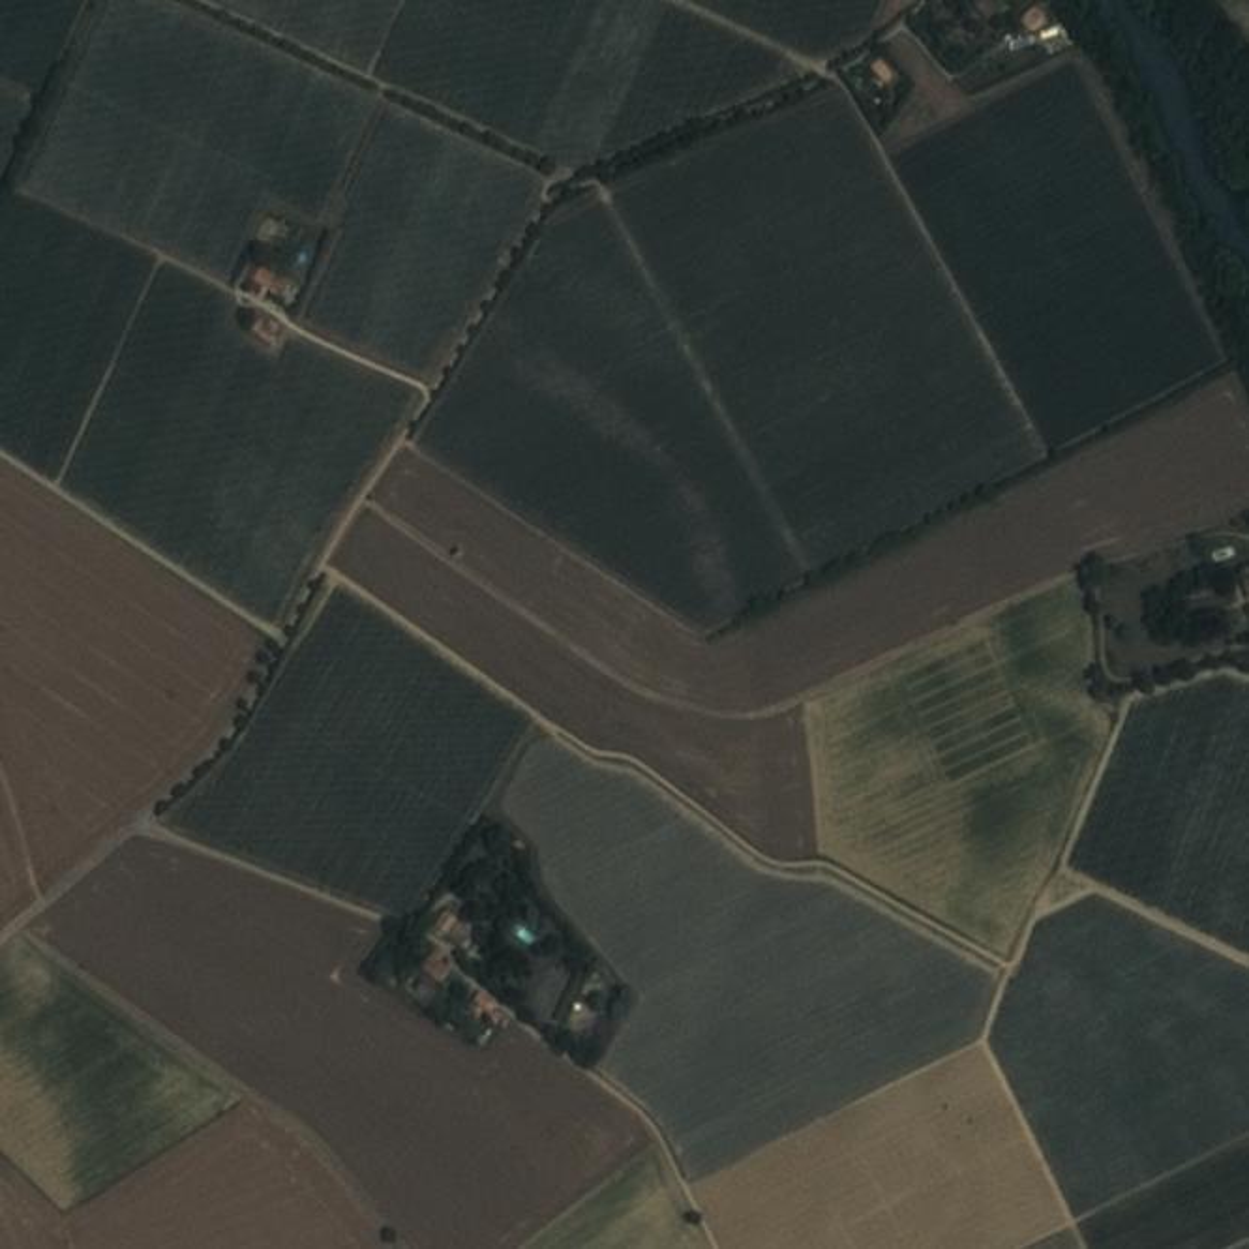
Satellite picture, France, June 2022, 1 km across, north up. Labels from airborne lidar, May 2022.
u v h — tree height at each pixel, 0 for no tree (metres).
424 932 21
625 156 13
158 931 0
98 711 0
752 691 0
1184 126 0
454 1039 0
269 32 11
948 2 11
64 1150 0
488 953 14
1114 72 26
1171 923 0
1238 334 14
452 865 11
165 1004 0
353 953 0
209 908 0
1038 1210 0
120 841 0
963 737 0
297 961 0
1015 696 0
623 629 0
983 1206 0
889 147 0
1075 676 0
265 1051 0
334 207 0
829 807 0
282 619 0
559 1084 0
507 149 12
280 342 0
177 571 0
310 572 0
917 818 0
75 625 0
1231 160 41
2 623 0
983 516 0
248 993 0
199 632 0
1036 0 6
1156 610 9
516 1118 0
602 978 0
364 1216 0
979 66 0
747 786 0
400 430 0
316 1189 0
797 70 0
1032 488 0
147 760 0
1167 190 11
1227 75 13
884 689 0
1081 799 0
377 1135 0
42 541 0
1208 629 22
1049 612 0
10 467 0
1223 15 12
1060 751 0
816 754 0
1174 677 12
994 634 0
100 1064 0
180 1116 0
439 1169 0
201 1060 0
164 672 0
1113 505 0
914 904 0
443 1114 0
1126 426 8
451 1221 0
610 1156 0
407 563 0
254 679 14
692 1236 0
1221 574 21
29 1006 0
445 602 0
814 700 0
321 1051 0
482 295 0
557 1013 6
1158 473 0
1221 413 0
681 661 0
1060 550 0
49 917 0
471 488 0
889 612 0
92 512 0
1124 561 0
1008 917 0
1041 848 0
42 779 0
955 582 0
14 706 0
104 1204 0
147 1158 0
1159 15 23
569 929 11
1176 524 0
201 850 0
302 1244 0
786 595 12
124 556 0
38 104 18
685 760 0
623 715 0
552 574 0
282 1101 0
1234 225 0
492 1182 0
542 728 0
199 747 0
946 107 0
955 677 0
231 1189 0
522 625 0
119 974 0
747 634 0
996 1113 0
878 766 0
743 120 12
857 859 0
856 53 10
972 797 0
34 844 0
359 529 0
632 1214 0
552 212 11
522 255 13
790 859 0
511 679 0
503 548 0
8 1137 0
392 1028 0
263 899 0
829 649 0
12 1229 0
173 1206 0
